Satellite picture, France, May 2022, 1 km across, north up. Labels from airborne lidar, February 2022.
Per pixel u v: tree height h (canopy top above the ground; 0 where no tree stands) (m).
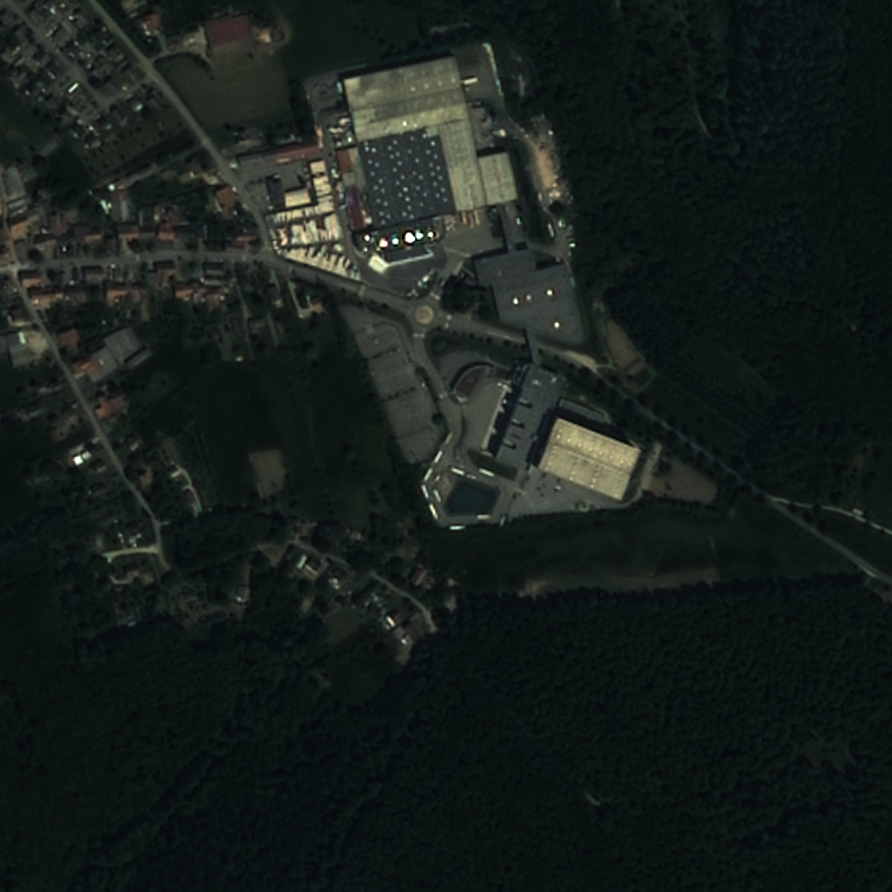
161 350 0
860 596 23
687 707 24
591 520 0
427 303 0
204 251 0
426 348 0
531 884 17
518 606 24
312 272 0
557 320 0
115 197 0
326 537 15
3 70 6
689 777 24
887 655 19
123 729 26
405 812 23
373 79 0
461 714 23
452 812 20
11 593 16
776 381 19
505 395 0
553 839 18
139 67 0
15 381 0
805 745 7
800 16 34
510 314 0
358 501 0
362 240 0
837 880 24
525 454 0
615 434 0
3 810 18
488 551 0
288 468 0
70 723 17
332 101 0
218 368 0
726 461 0
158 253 0
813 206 24
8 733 11
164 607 0
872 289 23
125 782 30
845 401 21
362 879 22
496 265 0
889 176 19
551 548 0
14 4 0
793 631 24
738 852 26
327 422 0
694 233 24
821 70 32
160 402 0
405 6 16
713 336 24
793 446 33
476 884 20
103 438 0
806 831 29
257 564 21
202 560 16
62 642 18
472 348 0
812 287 28
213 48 0
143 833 34
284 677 36
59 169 0
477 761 21
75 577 27
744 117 29
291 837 13
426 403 0
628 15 14
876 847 26
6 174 0
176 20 0
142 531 6
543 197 0
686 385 6
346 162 0
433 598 10
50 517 18
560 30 18
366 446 0
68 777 15
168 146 0
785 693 25
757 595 24
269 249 0
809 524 17
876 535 0
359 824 19
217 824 11
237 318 0
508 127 0
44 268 0
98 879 36
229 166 0
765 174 24
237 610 0
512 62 0
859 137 17
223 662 26
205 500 0
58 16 0
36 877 29
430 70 0
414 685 27
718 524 0
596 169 25
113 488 0
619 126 24
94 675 18
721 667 24
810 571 0
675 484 0
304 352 11
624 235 19
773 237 29
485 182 0
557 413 0
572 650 23
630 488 0
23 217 0
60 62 0
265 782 13
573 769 21
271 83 0
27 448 0
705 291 29
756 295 31
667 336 22
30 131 0
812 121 27
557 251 0
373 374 0
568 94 23
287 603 15
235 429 0
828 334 23
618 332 0
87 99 0
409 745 24
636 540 0
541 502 0
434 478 0
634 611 22
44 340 0
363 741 19
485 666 21
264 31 0
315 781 19
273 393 0
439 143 0
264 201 0
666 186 20
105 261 0
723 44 0
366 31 9
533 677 25
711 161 30
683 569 0
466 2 24
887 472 0
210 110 0
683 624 24
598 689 24
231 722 23
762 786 29
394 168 0
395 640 0
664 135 26
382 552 0
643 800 24
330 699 14
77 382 0
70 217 0
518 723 24
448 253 0
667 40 11
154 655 19
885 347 22
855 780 26
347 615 0
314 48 0
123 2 0
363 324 0
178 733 26
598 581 0
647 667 23
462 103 0
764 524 0
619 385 12
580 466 0
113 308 0
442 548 0
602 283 10
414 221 0
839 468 27
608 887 20
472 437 0
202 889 10
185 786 31
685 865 28
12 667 15
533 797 20
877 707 28
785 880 27
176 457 0
